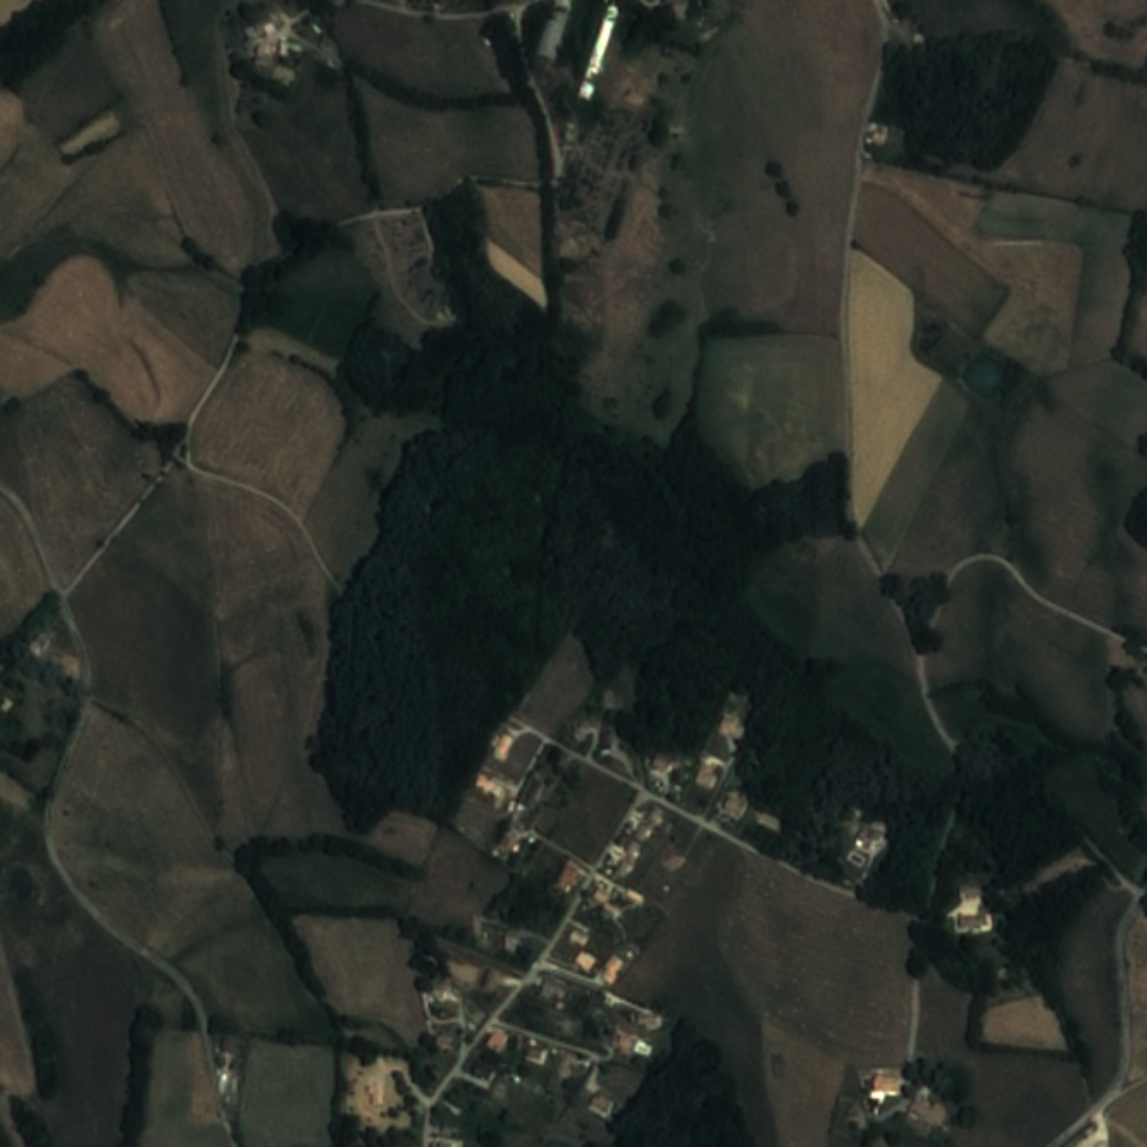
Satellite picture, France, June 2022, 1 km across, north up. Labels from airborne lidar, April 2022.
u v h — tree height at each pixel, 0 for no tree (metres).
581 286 0
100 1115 0
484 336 20
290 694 0
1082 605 0
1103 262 0
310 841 12
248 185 0
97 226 0
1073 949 0
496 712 14
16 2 0
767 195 0
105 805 0
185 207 0
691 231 0
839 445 0
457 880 0
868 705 0
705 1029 0
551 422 33
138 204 0
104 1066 0
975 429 0
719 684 19
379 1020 0
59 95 0
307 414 0
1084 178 0
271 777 0
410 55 0
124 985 0
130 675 0
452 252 15
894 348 0
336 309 0
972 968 18
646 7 8
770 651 20
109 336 0
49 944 0
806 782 21
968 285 0
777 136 0
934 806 20
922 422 0
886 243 0
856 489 0
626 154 7
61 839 0
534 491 23
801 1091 0
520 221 0
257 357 0
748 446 0
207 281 0
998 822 20
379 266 0
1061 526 0
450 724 20
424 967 10
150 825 0
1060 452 0
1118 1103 0
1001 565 0
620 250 0
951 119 11
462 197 10
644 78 0
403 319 0
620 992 0
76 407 0
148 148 0
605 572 23
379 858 14
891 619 0
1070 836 17
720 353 0
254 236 0
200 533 0
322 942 0
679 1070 23
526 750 0
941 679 0
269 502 0
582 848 0
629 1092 0
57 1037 0
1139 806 11
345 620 21
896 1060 0
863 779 22
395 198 0
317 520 0
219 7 0
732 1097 17
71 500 0
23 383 0
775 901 0
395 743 33
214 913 0
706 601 16
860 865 0
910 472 0
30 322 0
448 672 18
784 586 0
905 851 21
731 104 0
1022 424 0
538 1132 0
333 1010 8
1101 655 0
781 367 0
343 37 0
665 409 12
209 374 0
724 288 0
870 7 0
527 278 0
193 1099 0
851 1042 0
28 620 12
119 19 0
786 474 0
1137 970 0
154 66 0
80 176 0
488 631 18
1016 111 13
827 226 0
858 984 0
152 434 15
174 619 0
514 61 6
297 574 0
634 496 23
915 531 0
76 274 0
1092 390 0
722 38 0
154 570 0
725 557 19
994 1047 6
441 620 16
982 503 0
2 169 0
